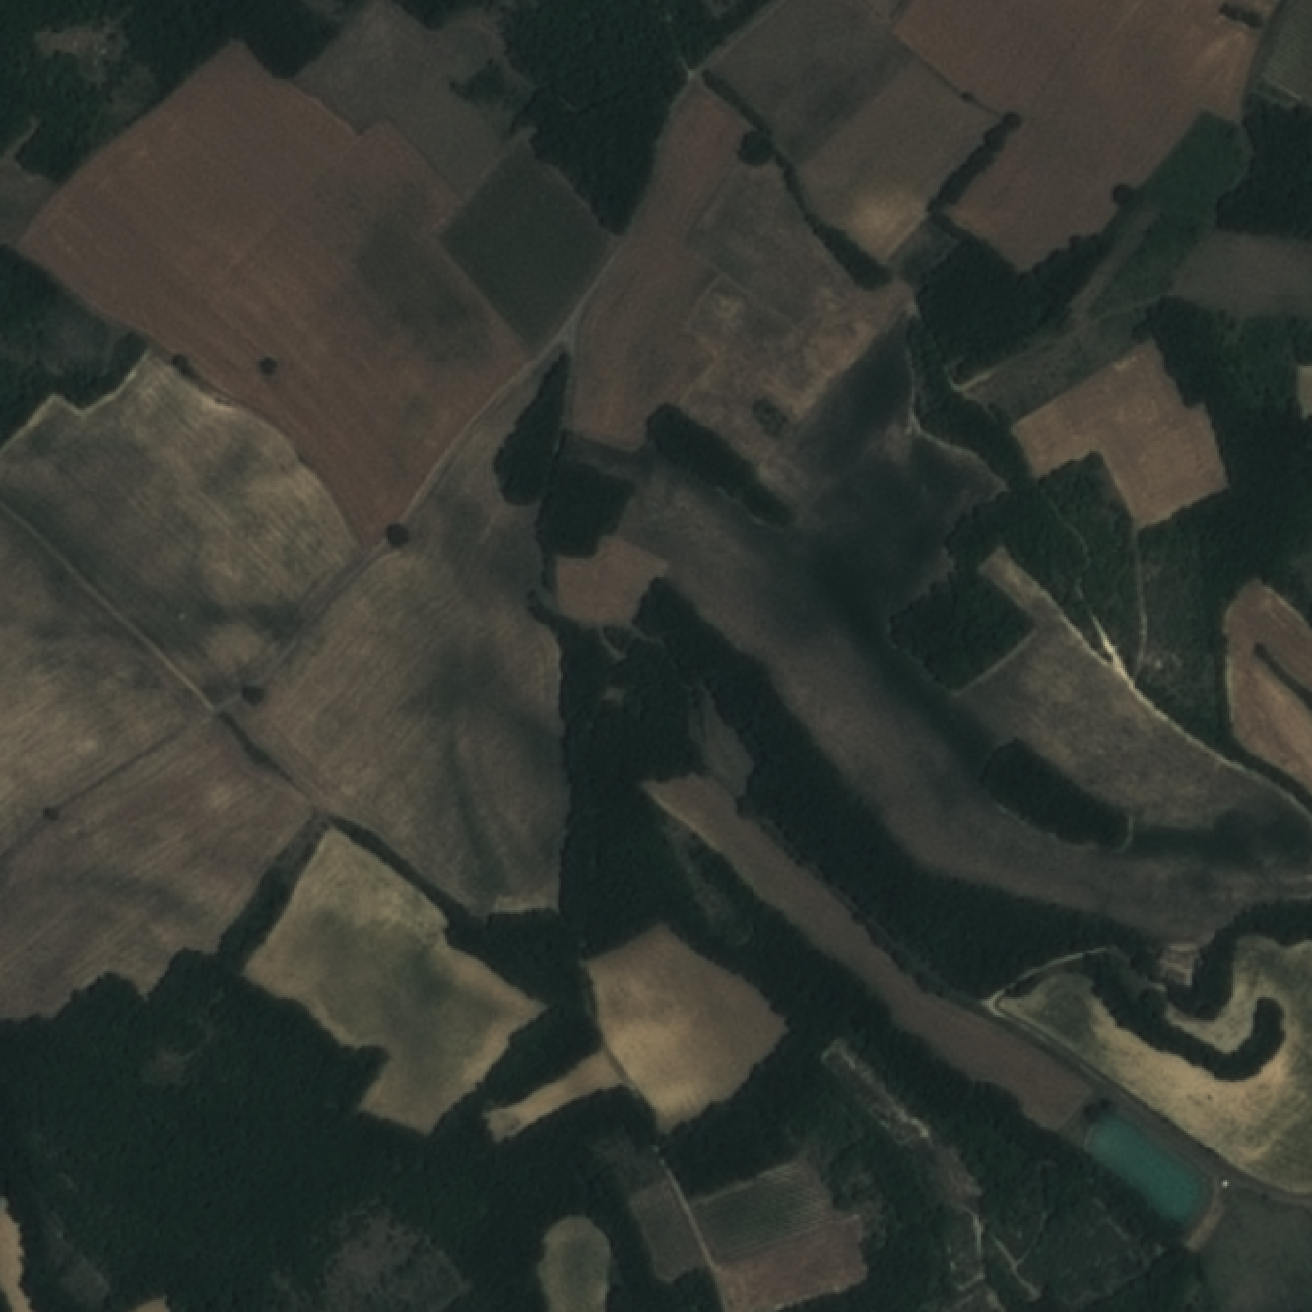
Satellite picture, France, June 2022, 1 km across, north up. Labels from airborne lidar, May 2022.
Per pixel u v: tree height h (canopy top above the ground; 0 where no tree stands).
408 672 0
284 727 0
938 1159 0
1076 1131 0
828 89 0
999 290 18
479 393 0
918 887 13
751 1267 0
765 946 11
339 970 0
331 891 0
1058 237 0
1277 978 0
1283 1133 0
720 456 14
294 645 0
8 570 0
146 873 0
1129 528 7
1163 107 0
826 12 0
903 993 0
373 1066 9
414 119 0
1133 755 0
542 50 11
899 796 0
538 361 0
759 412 7
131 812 0
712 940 11
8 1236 0
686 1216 0
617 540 0
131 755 0
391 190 0
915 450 0
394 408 0
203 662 0
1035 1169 9
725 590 0
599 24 11
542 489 16
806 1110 12
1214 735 10
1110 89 0
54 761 0
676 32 10
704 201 0
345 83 0
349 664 0
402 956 0
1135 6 0
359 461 0
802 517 0
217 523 0
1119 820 9
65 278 0
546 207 0
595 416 0
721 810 0
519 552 0
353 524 0
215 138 0
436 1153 10
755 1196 0
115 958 0
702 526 0
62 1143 8
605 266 0
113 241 0
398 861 7
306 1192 11
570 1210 12
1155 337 11
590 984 7
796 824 13
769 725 17
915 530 0
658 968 0
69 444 0
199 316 0
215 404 0
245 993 10
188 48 9
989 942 15
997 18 0
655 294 0
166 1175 11
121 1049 9
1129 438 0
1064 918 11
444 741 0
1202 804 0
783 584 0
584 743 18
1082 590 7
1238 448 13
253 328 0
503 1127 0
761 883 0
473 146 0
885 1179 11
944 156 0
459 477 0
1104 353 0
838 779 13
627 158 13
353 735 0
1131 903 0
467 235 0
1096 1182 9
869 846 17
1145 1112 0
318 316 0
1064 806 13
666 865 12
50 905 0
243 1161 10
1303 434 13
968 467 0
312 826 0
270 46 13
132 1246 9
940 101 0
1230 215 14
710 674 19
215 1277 13
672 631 17
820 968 19
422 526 0
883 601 0
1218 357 9
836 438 0
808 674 0
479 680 0
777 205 0
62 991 0
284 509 0
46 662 0
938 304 16
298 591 0
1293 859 0
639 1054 0
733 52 0
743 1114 17
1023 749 9
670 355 0
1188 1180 0
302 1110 9
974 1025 0
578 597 0
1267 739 0
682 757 19
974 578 8
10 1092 9
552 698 0
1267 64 0
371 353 0
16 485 0
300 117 0
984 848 0
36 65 9
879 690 0
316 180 0
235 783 0
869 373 0
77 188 0
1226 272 0
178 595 0
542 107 13
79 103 10
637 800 16
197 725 0
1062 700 0
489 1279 16
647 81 11
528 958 12
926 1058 13
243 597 0
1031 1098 0
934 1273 12
